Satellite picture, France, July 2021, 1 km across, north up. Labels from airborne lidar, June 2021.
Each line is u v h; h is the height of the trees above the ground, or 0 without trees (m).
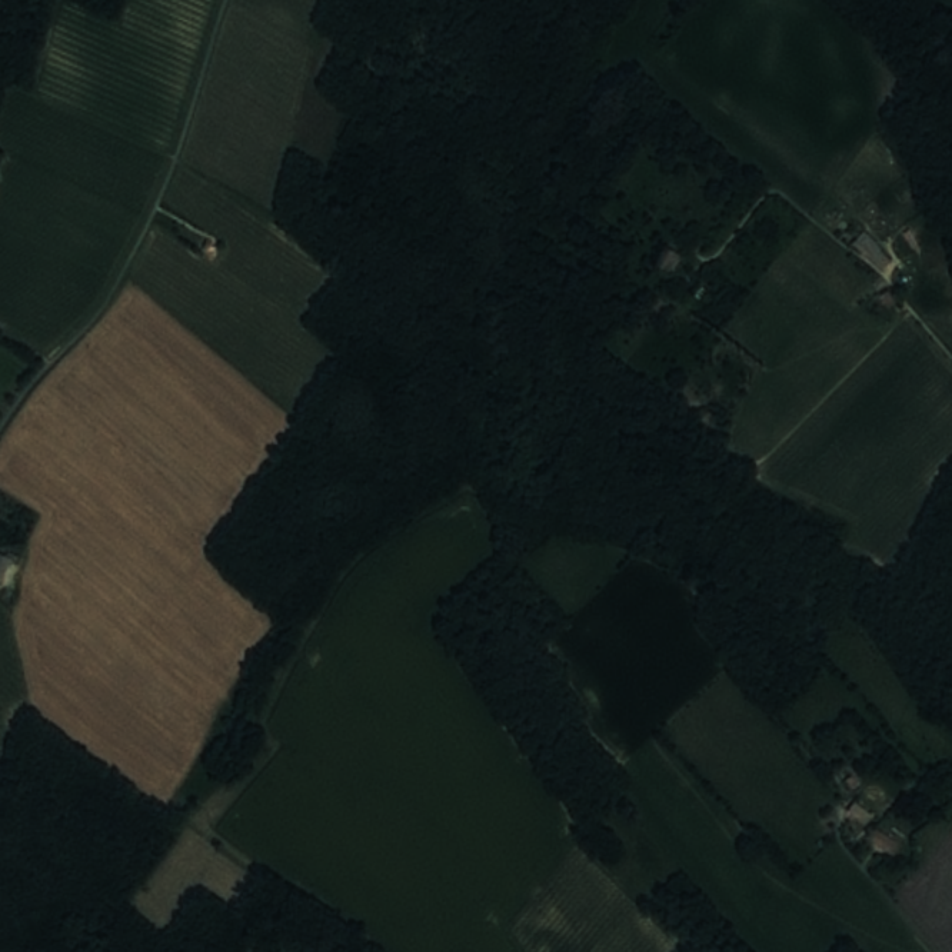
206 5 0
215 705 0
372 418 26
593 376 18
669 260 0
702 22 0
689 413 13
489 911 0
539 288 11
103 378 0
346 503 26
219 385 0
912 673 19
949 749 0
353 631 0
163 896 0
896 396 0
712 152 18
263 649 17
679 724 0
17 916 22
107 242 0
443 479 20
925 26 26
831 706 0
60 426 0
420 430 23
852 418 0
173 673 0
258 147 0
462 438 22
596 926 0
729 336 12
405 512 19
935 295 0
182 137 0
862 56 0
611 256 13
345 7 18
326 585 19
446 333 25
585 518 19
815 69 0
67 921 26
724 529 24
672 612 0
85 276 0
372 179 20
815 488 0
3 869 15
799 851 0
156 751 0
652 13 0
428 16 16
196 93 0
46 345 0
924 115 24
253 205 0
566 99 30
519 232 26
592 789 20
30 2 13
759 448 0
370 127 23
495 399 22
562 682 21
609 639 0
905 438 0
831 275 0
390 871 0
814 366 0
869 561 14
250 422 0
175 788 0
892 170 0
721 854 0
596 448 22
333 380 22
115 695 0
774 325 0
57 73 0
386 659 0
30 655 0
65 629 0
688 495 27
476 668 20
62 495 0
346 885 0
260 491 18
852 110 0
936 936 0
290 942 14
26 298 0
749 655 22
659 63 0
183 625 0
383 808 0
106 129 0
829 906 0
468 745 0
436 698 0
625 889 0
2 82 16
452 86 17
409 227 20
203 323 0
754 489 14
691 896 21
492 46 18
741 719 0
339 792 0
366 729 0
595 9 23
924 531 17
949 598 18
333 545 23
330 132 0
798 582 26
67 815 22
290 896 24
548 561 0
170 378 0
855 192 0
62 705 0
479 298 27
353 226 24
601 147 25
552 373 23
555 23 26
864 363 0
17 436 0
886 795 0
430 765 0
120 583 0
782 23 0
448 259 26
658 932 0
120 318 0
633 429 9
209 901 19
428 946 0
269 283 0
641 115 18
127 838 24
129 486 0
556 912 0
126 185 0
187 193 0
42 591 0
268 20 0
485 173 21
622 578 0
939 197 25
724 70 0
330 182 20
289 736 0
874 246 0
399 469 21
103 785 21
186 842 0
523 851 0
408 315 25
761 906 0
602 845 15
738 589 26
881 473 0
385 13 19
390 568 0
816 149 0
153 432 0
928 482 0
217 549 18
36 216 0
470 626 21
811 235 0
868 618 20
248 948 16
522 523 24
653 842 0
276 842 0
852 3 21
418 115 26
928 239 0
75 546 0
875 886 0
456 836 0
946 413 0
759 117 0
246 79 0
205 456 0
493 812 0
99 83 0
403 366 14
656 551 20
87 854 23
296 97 0
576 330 17
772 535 22
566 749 24
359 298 21
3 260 0
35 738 21
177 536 0
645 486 24
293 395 0
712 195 11
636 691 0
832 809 7
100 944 24
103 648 0
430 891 0
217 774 17
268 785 0
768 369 0
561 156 25
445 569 0
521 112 24
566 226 8
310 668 0
